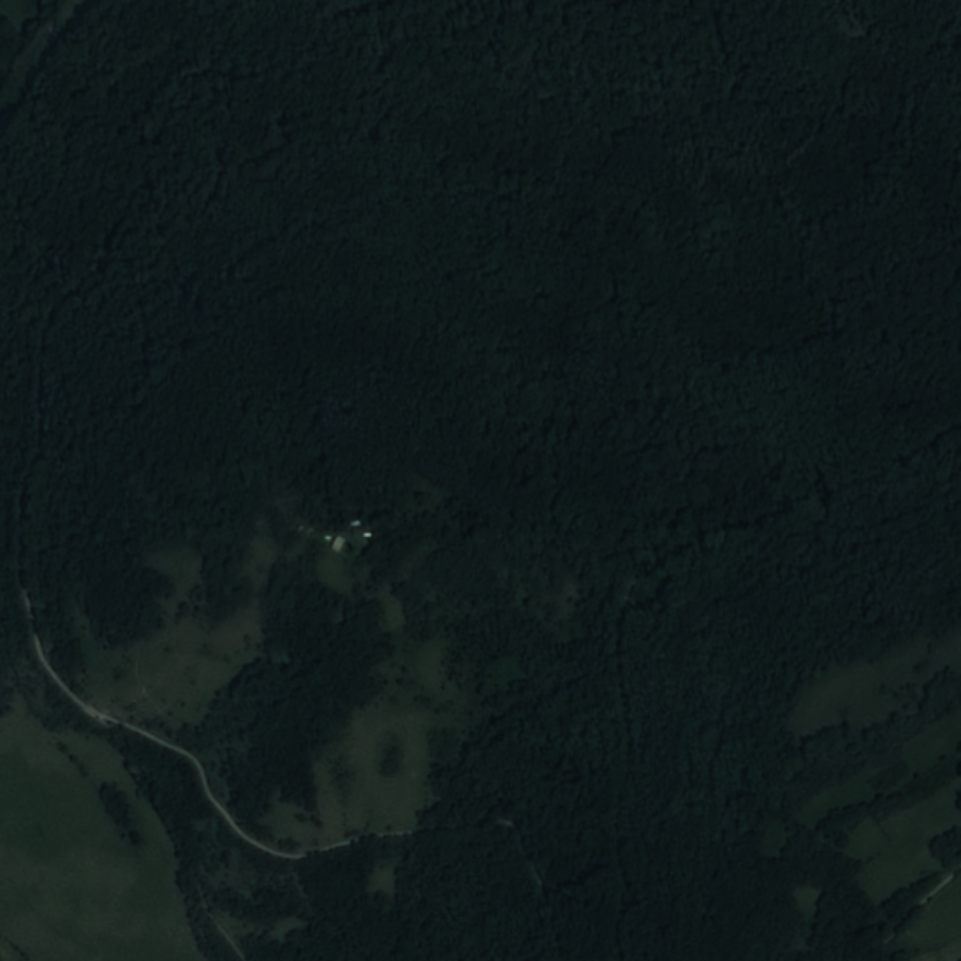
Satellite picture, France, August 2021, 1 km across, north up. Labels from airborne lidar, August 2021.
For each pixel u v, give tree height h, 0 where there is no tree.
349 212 25
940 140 29
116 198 26
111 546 12
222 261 23
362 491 21
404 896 13
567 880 10
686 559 20
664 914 18
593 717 24
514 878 16
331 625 8
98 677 0
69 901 0
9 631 14
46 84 17
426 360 25
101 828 0
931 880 16
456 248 28
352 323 29
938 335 30
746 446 20
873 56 15
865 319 35
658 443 19
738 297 19
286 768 14
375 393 27
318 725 23
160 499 14
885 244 29
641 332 27
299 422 18
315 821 8
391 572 10
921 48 24
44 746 0
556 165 17
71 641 11
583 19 30
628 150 25
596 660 14
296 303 27
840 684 0
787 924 22
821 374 30
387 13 27
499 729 20
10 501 18
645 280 18
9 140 22
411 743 0
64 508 17
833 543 31
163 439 22
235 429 18
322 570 0
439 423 18
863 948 20
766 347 14
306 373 23
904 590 26
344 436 28
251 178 28
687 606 29
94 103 20
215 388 22
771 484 20
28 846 0
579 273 32
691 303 18
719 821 16
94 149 22
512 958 21
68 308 25
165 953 0
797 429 28
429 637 8
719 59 27
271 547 0
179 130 24
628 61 29
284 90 27
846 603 22
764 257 17
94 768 0
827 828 16
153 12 27
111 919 0
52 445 26
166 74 18
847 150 20
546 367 30
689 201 20
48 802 0
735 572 28
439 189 25
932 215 22
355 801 0
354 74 25
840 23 20
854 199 18
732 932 19
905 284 32
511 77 21
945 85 21
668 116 21
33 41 16
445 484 18
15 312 23
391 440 25
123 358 26
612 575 19
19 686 5
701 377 24
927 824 0
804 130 17
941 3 24
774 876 15
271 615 6
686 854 21
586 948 27
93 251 23
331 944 19
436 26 22
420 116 23
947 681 16
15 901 0
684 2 14
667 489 29
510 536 13
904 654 0
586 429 24
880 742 16
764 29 21
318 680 24
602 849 12
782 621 20
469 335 24
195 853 8
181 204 32
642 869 21
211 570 8
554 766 11
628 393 26
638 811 19
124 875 0
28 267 29
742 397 24
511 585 6
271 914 11
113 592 11
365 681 10
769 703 16
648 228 24
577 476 24
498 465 17
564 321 26
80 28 16
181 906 0
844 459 30
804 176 18
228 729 17
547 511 24
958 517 31
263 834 10
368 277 30
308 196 26
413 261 28
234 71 9
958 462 29
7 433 23
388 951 15
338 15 20
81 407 21
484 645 7
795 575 24
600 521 26
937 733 0
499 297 31
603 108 34
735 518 21
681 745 24
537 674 11
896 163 29
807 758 16
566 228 25
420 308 32
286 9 24
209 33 28
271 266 25
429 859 16
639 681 20
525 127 26
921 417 28
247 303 25
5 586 14
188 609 11
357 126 22
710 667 13
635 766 20
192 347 22
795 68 18
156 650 0
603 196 30
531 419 25
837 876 18
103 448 22
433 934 24
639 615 26
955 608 21
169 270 27
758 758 21
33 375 16
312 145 26
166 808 16
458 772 10
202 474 18
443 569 6
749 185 21
